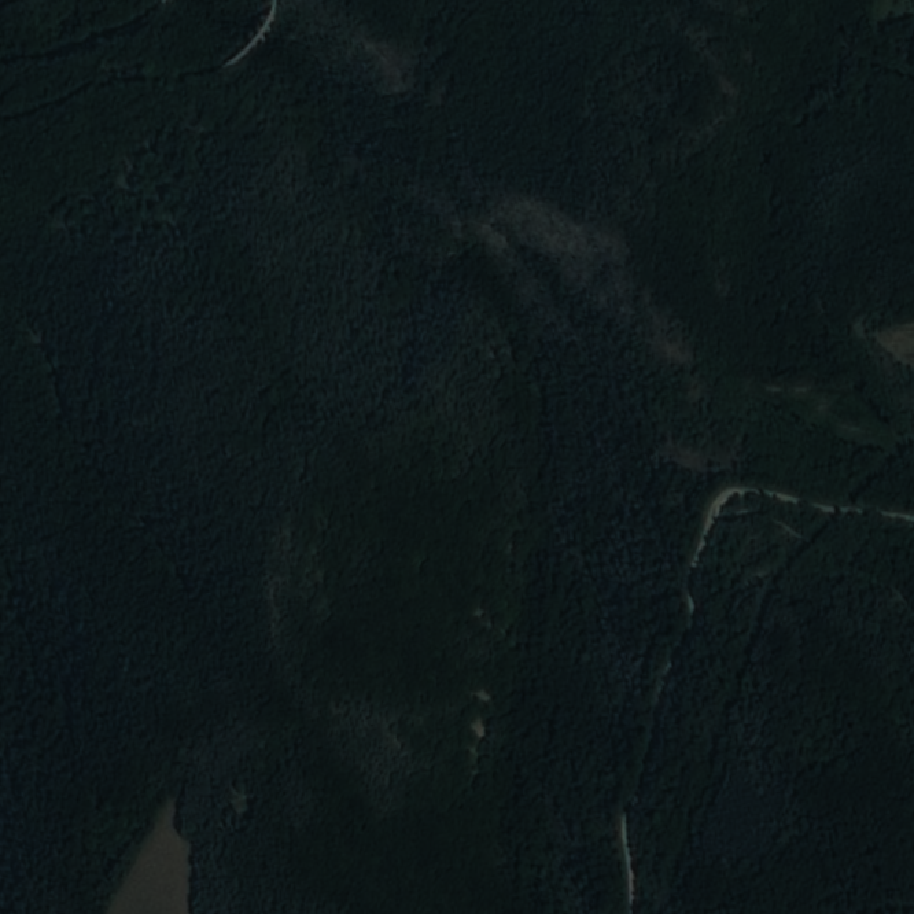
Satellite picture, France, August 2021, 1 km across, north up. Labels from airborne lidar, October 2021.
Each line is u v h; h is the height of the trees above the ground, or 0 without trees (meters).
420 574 14
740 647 13
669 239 14
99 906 13
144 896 0
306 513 10
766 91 14
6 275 20
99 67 21
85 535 24
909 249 26
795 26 13
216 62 17
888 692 21
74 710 16
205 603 24
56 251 14
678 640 15
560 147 14
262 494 11
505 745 19
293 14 6
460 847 18
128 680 8
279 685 13
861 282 21
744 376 15
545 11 14
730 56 9
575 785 12
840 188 14
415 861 20
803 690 21
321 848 21
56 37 9
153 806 19
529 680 19
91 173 15
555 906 12
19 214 19
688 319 10
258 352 13
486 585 17
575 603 17
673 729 14
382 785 7
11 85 16
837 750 11
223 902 18
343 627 17
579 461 11
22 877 12
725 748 15
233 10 10
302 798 16
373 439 11
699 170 15
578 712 15
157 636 18
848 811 23
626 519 14
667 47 11
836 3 20
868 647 29
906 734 15
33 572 19
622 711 10
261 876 20
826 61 24
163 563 27
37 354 19
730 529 11
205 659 18
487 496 25
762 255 22
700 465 0
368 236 10
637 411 12
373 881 23
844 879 16
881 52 12
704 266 16
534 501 19
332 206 11
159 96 17
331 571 8
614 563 11
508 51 13
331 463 15
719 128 9
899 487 19
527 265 10
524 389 22
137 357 11
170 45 19
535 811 16
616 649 9
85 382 18
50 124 23
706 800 8
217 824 16
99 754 21
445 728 17
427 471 15
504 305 19
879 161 14
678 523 16
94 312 13
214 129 9
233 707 12
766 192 19
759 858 14
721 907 9
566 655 13
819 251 14
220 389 13
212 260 18
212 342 10
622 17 11
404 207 12
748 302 19
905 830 23
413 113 17
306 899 16
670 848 8
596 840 11
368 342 12
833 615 26
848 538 18
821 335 21
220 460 16
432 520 27
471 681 17
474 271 25
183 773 18
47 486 23
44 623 23
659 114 13
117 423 12
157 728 12
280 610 9
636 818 15
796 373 25
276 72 11
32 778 9
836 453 16
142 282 10
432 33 17
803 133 16
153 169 17
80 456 24
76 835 19
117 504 20
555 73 14
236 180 10
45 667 26
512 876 21
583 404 8
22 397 24
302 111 22
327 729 9
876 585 13
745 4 9
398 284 20
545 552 10
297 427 10
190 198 6
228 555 11
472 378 9
